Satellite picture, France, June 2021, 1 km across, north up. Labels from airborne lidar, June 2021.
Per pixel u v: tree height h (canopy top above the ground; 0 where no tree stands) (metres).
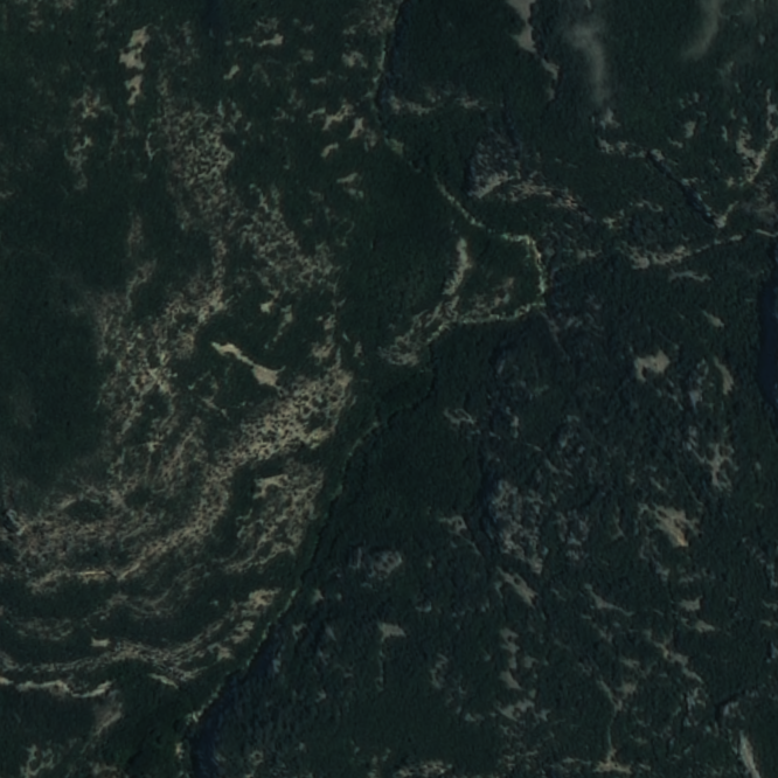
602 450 7
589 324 8
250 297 10
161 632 7
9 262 8
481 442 10
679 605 6
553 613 7
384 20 6
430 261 9
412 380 13
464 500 12
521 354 10
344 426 16
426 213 17
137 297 11
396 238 16
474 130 12
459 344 12
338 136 14
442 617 8
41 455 10
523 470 8
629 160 10
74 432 8
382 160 18
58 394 9
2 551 11
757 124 7
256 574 9
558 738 6
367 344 13
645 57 8
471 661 8
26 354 5
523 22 7
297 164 11
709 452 7
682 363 12
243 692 20
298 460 9
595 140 6
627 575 8
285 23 11
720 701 8
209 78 7
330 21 11
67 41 7
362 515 20
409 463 18
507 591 11
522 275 13
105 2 10
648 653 10
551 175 8
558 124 11
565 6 9
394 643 8
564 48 12
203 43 9
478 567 9
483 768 7
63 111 6
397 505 11
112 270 6
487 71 13
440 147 15
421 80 7
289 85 6
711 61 7
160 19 7
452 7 18
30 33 8
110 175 7
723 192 6
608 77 12
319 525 10
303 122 9
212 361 8
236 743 10
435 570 7
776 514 7
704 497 10
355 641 9
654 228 19
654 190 9
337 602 10
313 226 7
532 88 11
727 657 8
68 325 8
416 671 9
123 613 8
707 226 10
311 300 10
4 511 8
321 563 14
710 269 10
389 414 9
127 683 9
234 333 8
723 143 11
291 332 10
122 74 9
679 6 12
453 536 10
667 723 10
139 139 9
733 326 11
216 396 6
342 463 7
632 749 7
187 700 20
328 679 9
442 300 13
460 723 6
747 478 7
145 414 6
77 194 8
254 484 8
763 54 10
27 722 9
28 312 9
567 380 9
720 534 9
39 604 10
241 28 10
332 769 8
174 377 6
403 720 9
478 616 7
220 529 9
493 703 6
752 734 5
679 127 9
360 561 10
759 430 8
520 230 15
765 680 6
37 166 7
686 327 8
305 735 10
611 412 8
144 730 21
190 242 7
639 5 11
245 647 15
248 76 7
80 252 8
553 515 7
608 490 8
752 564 9
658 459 7
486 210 16
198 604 9
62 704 6
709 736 5
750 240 10
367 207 13
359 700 7
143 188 8
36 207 8
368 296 7
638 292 14
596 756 8
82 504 10
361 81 12
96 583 6
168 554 6
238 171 9
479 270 8
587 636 9
